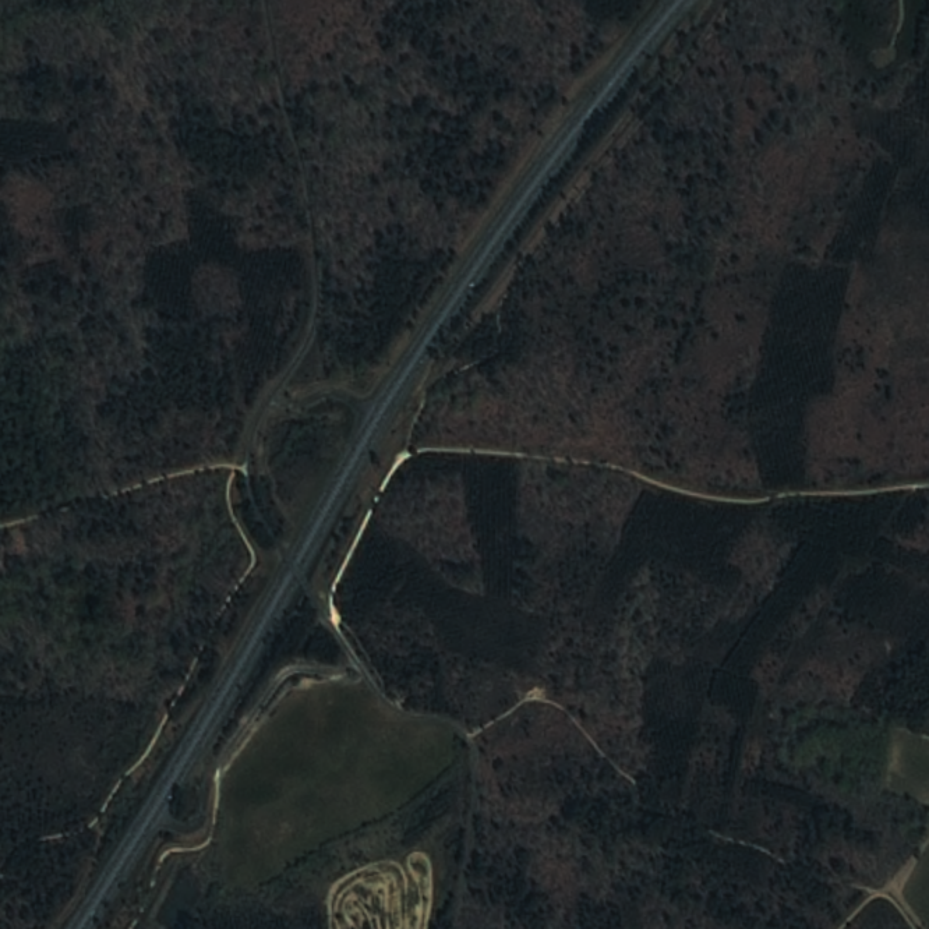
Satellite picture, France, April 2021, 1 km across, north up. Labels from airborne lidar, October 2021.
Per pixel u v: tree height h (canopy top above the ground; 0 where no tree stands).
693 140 7
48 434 14
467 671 9
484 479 6
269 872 0
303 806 0
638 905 19
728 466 6
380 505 7
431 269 11
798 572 12
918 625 6
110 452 7
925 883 0
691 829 21
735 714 10
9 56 11
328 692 0
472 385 14
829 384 8
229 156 14
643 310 20
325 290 11
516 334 11
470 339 22
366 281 9
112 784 7
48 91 22
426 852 0
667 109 8
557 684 9
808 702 9
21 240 7
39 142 7
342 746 0
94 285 7
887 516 9
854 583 6
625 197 12
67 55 15
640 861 17
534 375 8
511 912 13
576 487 10
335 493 0
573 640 7
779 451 7
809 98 11
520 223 0
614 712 16
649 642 9
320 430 7
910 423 7
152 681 9
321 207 12
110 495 12
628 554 6
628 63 0
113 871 0
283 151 13
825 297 7
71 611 8
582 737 6
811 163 0
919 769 0
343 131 17
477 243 0
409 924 0
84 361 9
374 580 7
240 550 7
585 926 12
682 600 10
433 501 12
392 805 0
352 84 13
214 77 13
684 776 8
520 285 11
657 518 6
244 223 14
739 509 7
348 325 9
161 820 0
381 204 10
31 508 8
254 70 15
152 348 20
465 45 6
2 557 20
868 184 6
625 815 25
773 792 12
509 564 6
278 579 0
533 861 9
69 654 20
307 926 6
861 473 15
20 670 21
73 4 7
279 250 8
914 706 15
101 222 7
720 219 7
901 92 6
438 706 14
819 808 11
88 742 6
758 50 14
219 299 9
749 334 0
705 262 24
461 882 9
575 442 9
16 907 21
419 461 8
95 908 0
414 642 10
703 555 7
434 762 0
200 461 12
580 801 17
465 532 11
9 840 7
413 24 14
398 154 9
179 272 8
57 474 13
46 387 14
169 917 0
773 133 9
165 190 8
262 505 12
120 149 7
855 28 0
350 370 17
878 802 13
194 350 19
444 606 7
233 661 0
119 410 24
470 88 16
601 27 18
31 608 13
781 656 9
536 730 0
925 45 13
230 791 0
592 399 11
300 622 10
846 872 20
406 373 0
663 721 7
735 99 7
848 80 11
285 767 0
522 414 8
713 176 17
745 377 9
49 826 9
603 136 12
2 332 18
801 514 13
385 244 19
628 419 6
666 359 9
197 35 12
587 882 13
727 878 21
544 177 0
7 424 8
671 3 0
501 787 8
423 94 15
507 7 6
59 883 21
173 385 23
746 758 8
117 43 27
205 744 0
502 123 18
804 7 12
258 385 12
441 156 16
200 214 8
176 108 7
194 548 10
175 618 8
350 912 0
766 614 9
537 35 8
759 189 9
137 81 13
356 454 0
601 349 16
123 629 19
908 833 12
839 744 22
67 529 11
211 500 18
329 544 0
